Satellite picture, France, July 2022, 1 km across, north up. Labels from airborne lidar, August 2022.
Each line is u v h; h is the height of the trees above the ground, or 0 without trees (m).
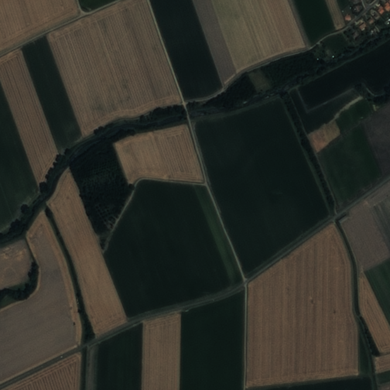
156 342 0
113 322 0
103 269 0
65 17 0
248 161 0
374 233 0
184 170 0
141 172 0
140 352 0
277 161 0
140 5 0
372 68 0
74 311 0
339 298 0
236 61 0
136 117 0
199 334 0
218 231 0
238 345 0
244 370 0
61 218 0
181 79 0
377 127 0
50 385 0
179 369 0
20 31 0
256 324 0
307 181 0
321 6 0
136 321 0
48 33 0
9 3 0
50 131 0
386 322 0
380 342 0
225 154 0
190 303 0
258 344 0
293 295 0
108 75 0
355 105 0
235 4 0
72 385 0
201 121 0
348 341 0
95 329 0
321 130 0
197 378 0
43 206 0
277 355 0
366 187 0
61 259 0
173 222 0
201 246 0
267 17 0
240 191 0
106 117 0
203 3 0
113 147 6
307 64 14
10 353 0
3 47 0
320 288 0
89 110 0
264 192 0
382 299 0
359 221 0
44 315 0
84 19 0
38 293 0
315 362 0
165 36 0
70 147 0
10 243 0
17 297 12
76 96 0
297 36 0
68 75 0
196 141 0
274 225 0
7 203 0
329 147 0
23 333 0
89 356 0
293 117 10
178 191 0
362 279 0
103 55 0
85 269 0
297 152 0
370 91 0
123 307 0
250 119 0
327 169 0
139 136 0
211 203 0
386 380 0
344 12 0
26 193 0
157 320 0
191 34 0
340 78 0
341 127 0
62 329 0
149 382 0
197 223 0
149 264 0
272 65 9
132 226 0
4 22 0
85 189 21
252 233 0
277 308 0
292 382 0
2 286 0
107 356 0
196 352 0
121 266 0
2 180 0
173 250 0
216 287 0
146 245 0
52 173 17
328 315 0
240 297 0
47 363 0
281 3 0
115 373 0
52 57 0
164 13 0
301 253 0
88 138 0
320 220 0
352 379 0
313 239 0
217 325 0
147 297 0
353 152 0
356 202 0
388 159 0
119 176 7
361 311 0
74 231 0
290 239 0
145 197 0
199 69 0
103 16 0
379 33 8
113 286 0
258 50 0
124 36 0
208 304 0
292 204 0
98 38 0
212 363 0
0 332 0
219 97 15
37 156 0
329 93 0
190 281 0
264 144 0
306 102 0
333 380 0
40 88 0
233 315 0
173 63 0
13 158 0
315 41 0
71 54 0
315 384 0
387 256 0
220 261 0
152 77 0
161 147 0
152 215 0
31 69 0
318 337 0
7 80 0
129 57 0
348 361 0
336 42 0
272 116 0
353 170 0
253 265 0
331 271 0
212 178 0
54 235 0
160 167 0
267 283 0
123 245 0
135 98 0
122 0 0
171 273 0
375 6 0
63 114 0
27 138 0
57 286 0
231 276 0
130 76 0
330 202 10
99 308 0
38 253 0
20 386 0
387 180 0
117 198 17
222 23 0
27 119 0
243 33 0
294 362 0
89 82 0
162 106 0
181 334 0
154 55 0
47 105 0
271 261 0
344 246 0
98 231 6
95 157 15
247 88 16
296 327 0
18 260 0
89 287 0
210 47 0
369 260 0
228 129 0
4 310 0
